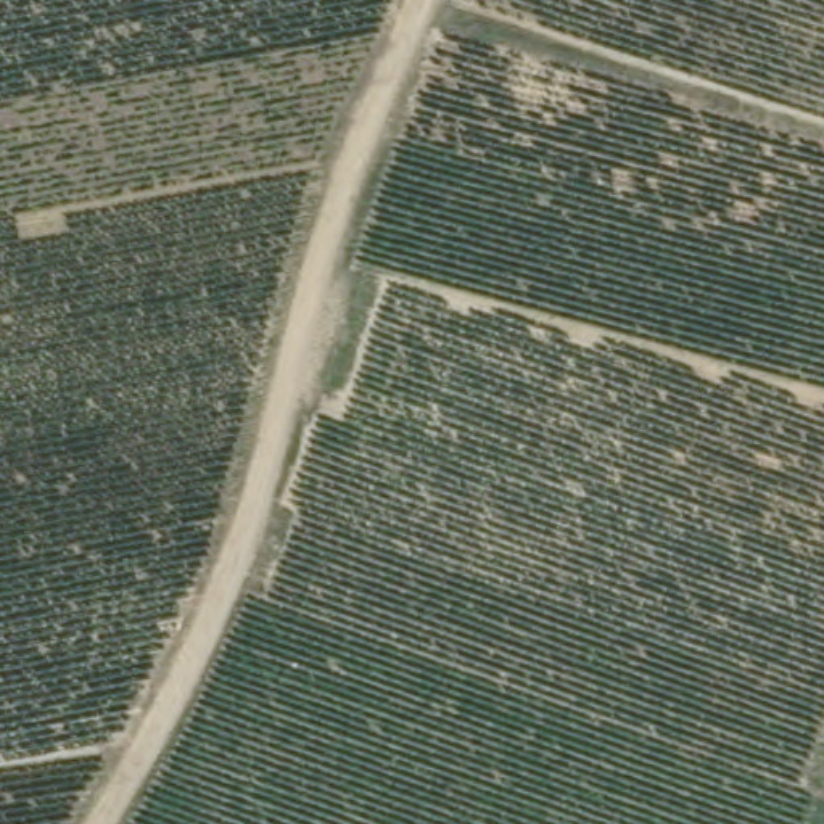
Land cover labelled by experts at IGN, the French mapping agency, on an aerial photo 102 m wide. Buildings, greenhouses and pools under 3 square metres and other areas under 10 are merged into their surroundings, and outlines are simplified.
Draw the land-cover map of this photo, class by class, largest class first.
<instances>
[{"label":"vineyard","instance_id":"1","mask_svg":"<svg viewBox=\"0 0 824 824\"><path fill-rule=\"evenodd\" d=\"M389 0H0V753H42L68 744H100L109 740V734L122 731L138 682L148 676L151 657L164 641L158 621L177 615V602L187 595V586H193L203 557L219 554L245 489L264 399L274 383L277 351L286 332L290 303L296 293V280L319 209L328 196L335 158L344 145L364 90L370 87L377 61L389 48V29L383 26V13ZM431 23L441 29L444 39L457 45V52H431L418 45L393 97L380 145L373 151V161L367 167V177L348 219L341 254L332 267V274L348 283L344 325L335 335L319 383L312 386L309 399L293 412L290 441L270 492V515L261 531L248 576L241 583L238 602L232 605L225 631L212 650V660L203 670L193 698L187 702L180 721L174 724L164 750L158 753L155 766L148 769L142 789L135 792L119 824H801L811 795L798 789V773L811 750V740H824V0H438ZM103 769L100 756L0 769V824H61L71 818L77 792L87 789V782Z\"/></svg>","mask_w":824,"mask_h":824},{"label":"pervious surface","instance_id":"2","mask_svg":"<svg viewBox=\"0 0 824 824\"><path fill-rule=\"evenodd\" d=\"M438 0H389L383 13V26L389 29V48L377 61L370 87L364 90L344 145L335 158L328 196L319 209L296 280V293L290 303L286 332L277 351L274 383L264 399L245 489L219 554L203 557L193 586H187V595L177 602V615L158 621L164 641L151 657L148 676L138 682L122 731L109 734V740L100 744H68L42 753H0V769L100 756L103 769L87 782V789L77 792L71 818L61 824H119L135 792L142 789L148 769L155 766L158 753L164 750L174 724L180 721L187 702L193 698L203 670L212 660V650L225 631L232 605L238 602L241 583L248 576L261 531L270 515V492L290 441L293 412L309 399L312 386L319 383L335 335L344 325L348 283L332 274V267L341 254L348 219L367 177V167L373 161V151L380 145L393 97L418 45L431 52H457V45L444 39L441 29L431 23Z\"/></svg>","mask_w":824,"mask_h":824},{"label":"herbaceous vegetation","instance_id":"3","mask_svg":"<svg viewBox=\"0 0 824 824\"><path fill-rule=\"evenodd\" d=\"M798 789L811 795L801 824H824V740H811V750L798 773Z\"/></svg>","mask_w":824,"mask_h":824}]
</instances>
